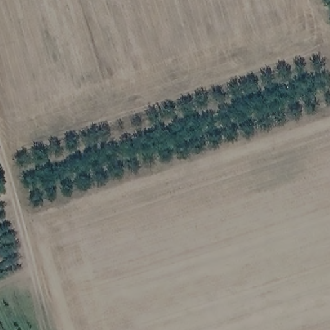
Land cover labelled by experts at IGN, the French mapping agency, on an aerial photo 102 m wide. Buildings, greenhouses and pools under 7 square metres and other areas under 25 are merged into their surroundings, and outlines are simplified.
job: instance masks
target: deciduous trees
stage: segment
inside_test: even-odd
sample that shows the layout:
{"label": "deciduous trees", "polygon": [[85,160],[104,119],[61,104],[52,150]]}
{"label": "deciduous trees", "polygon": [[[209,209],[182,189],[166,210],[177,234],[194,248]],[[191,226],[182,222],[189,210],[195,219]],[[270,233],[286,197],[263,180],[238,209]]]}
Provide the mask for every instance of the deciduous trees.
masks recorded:
{"label": "deciduous trees", "polygon": [[35,166],[45,165],[50,161],[49,155],[52,153],[59,155],[63,150],[68,150],[70,155],[73,155],[79,151],[77,138],[59,143],[59,146],[49,143],[46,146],[43,143],[34,143],[34,146],[27,150],[23,156],[15,159],[18,166],[31,162],[35,162]]}
{"label": "deciduous trees", "polygon": [[8,273],[21,269],[21,264],[18,263],[19,241],[15,237],[14,229],[8,220],[0,223],[0,280],[8,276]]}
{"label": "deciduous trees", "polygon": [[202,112],[210,111],[206,106],[208,95],[200,95],[196,102],[186,102],[174,108],[164,107],[161,108],[159,115],[148,115],[151,128],[159,122],[164,122],[166,117],[173,120],[175,116],[183,117],[193,111],[201,115]]}
{"label": "deciduous trees", "polygon": [[107,143],[111,131],[106,129],[82,137],[85,147]]}
{"label": "deciduous trees", "polygon": [[304,66],[299,64],[295,66],[298,76],[294,79],[291,79],[290,71],[281,68],[263,77],[266,86],[264,90],[259,90],[258,82],[245,82],[226,90],[226,94],[232,94],[231,104],[224,103],[226,95],[213,94],[218,111],[214,111],[213,115],[206,119],[192,119],[180,124],[173,121],[169,124],[171,129],[168,131],[157,130],[119,147],[112,146],[104,148],[101,152],[89,152],[85,157],[58,166],[54,171],[46,169],[36,171],[31,177],[22,177],[23,186],[30,191],[31,204],[39,206],[44,200],[54,201],[55,182],[61,182],[63,195],[71,197],[73,187],[79,188],[80,191],[88,191],[90,187],[104,186],[107,180],[121,179],[124,168],[137,174],[137,153],[142,153],[146,162],[153,162],[155,153],[159,153],[161,161],[168,162],[171,159],[187,159],[189,153],[210,151],[218,148],[219,144],[233,142],[236,139],[249,139],[262,130],[299,120],[300,115],[313,115],[318,106],[318,89],[325,93],[325,101],[330,104],[330,72],[326,71],[326,58],[321,57],[318,61],[312,62],[315,73],[307,73]]}

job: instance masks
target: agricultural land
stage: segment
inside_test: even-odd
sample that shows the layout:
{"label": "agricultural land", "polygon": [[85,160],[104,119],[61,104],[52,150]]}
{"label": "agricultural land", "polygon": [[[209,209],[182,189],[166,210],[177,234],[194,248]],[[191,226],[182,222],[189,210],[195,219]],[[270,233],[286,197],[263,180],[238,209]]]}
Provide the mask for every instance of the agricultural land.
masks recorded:
{"label": "agricultural land", "polygon": [[46,146],[49,143],[50,137],[64,138],[68,131],[77,133],[102,122],[107,122],[108,125],[115,124],[122,117],[147,111],[148,107],[157,107],[165,101],[177,101],[183,95],[195,94],[197,89],[208,90],[213,86],[228,84],[235,77],[246,76],[266,67],[276,67],[280,61],[289,64],[295,61],[295,58],[313,57],[320,52],[322,46],[330,44],[330,0],[0,0],[0,161],[6,156],[13,159],[15,153],[22,148],[27,150],[34,146],[34,143],[43,143]]}
{"label": "agricultural land", "polygon": [[159,174],[126,180],[124,183],[131,191],[126,195],[103,201],[93,208],[84,205],[77,209],[71,217],[75,226],[68,227],[64,220],[57,220],[61,231],[50,233],[49,244],[43,242],[39,245],[44,268],[49,277],[50,290],[55,299],[54,304],[46,303],[44,306],[40,294],[31,295],[30,290],[14,290],[10,286],[0,290],[0,330],[330,330],[330,117],[316,120],[313,115],[300,115],[299,120],[262,130],[249,139],[236,139],[233,142],[219,144],[218,148],[210,151],[189,153],[187,159],[171,159],[168,162],[169,168]]}

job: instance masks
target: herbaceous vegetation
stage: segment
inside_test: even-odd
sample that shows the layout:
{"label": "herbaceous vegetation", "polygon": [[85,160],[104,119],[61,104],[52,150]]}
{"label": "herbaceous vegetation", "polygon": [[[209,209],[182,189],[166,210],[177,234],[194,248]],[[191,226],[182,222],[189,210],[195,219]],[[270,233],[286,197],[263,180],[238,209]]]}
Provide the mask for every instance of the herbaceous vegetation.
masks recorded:
{"label": "herbaceous vegetation", "polygon": [[[137,153],[137,174],[124,168],[121,179],[107,180],[104,186],[90,187],[88,191],[80,191],[79,188],[73,187],[71,197],[63,195],[61,182],[55,182],[54,201],[44,200],[39,206],[31,204],[30,191],[23,186],[22,177],[31,177],[36,171],[46,169],[54,171],[58,166],[85,157],[89,152],[101,152],[104,148],[112,146],[119,147],[157,130],[168,131],[171,129],[169,124],[173,121],[180,124],[192,119],[206,119],[213,115],[214,111],[218,111],[213,94],[226,95],[224,103],[231,104],[232,94],[226,94],[226,90],[245,82],[258,82],[259,90],[264,90],[266,86],[263,77],[281,68],[290,71],[291,79],[294,79],[298,76],[295,66],[299,64],[304,66],[307,73],[315,73],[312,62],[318,61],[321,57],[326,58],[326,71],[330,72],[330,44],[322,46],[320,52],[313,57],[295,58],[295,61],[289,64],[280,61],[276,67],[266,67],[246,76],[235,77],[228,84],[213,86],[208,90],[197,89],[195,94],[183,95],[177,101],[165,101],[157,107],[148,107],[147,111],[122,117],[115,124],[108,125],[107,122],[102,122],[77,133],[68,131],[64,138],[50,137],[49,143],[59,146],[59,143],[77,138],[79,151],[73,155],[70,155],[68,150],[63,150],[59,155],[52,153],[49,155],[50,161],[45,165],[35,166],[35,162],[31,162],[18,166],[15,159],[23,156],[27,150],[22,148],[15,153],[13,159],[6,156],[0,161],[0,223],[8,220],[14,229],[15,237],[19,241],[18,263],[21,264],[21,269],[8,273],[8,276],[0,280],[0,290],[10,286],[14,290],[30,290],[31,295],[40,294],[44,306],[46,303],[54,304],[55,299],[50,290],[49,277],[44,268],[39,245],[43,242],[49,244],[50,233],[61,231],[57,220],[64,220],[68,227],[75,226],[71,217],[77,209],[84,205],[93,208],[103,201],[126,195],[131,191],[124,183],[126,180],[159,174],[169,168],[168,162],[161,161],[159,153],[155,153],[153,162],[146,162],[142,153]],[[193,111],[183,117],[175,116],[173,120],[166,117],[164,122],[159,122],[151,128],[148,115],[159,115],[161,108],[164,107],[174,108],[186,102],[196,102],[200,95],[208,95],[206,106],[210,111],[202,112],[201,115]],[[85,147],[82,137],[106,129],[111,131],[107,143]]]}
{"label": "herbaceous vegetation", "polygon": [[325,93],[318,89],[318,106],[313,115],[316,120],[330,117],[330,104],[325,101]]}

